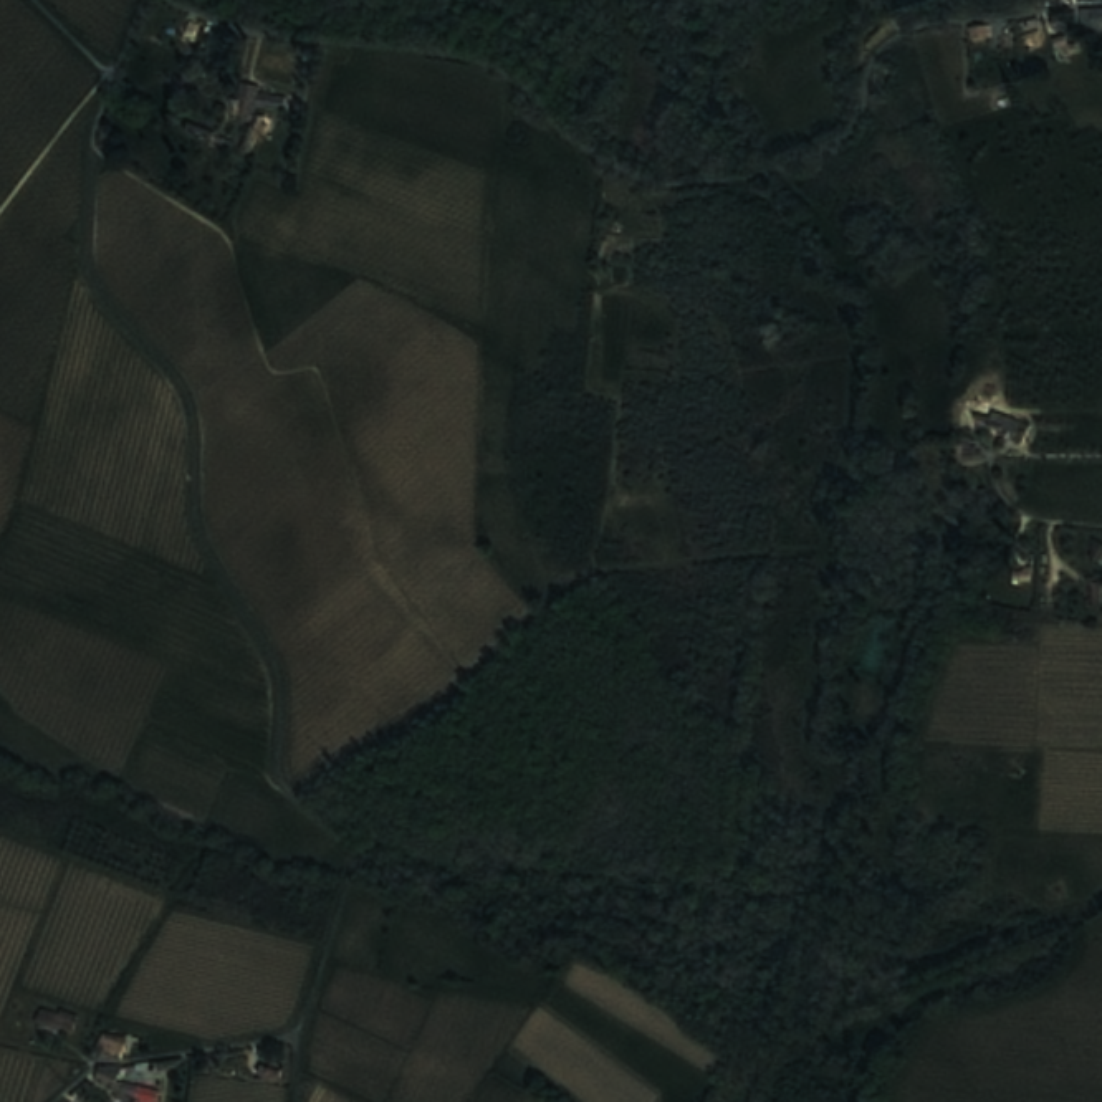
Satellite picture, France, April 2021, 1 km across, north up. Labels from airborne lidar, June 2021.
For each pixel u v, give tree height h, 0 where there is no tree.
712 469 6
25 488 0
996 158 0
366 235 0
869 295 18
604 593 14
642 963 9
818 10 20
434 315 0
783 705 0
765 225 8
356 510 0
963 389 0
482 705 18
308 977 0
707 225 9
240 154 12
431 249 0
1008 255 7
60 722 0
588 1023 0
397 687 0
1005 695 0
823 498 8
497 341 0
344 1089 0
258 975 0
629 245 0
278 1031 0
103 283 0
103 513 0
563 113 20
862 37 13
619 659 19
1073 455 6
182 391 0
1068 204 5
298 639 0
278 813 0
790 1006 32
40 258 0
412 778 20
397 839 18
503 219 0
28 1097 0
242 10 14
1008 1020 0
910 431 8
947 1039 0
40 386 0
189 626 0
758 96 0
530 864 21
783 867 20
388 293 0
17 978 0
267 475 0
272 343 0
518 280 0
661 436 7
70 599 0
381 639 0
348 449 0
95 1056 12
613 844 12
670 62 12
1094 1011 0
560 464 9
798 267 10
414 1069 0
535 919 10
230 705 0
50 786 19
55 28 0
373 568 0
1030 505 0
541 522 7
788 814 28
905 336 0
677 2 20
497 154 0
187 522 0
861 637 16
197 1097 0
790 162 18
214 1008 0
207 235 0
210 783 0
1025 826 0
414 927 0
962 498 24
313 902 8
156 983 0
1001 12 7
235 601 0
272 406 0
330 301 0
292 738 0
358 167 0
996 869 0
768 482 9
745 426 6
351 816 22
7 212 0
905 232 17
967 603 15
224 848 12
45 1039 12
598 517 6
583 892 17
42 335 0
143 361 0
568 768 18
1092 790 0
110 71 0
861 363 14
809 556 9
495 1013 0
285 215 0
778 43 0
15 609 0
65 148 0
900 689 16
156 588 0
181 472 0
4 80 0
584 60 19
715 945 16
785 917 18
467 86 0
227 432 0
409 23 14
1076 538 9
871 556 25
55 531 0
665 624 8
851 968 21
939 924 32
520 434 11
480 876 12
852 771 16
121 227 0
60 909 0
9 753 10
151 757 0
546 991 0
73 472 0
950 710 0
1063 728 0
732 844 18
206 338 0
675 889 10
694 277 7
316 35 19
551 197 0
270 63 0
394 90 0
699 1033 17
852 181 6
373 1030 0
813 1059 8
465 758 18
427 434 0
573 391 7
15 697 0
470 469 0
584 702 17
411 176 0
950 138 6
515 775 16
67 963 0
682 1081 0
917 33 12
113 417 0
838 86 15
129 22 0
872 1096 25
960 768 0
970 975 19
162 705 0
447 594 0
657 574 6
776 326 26
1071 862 0
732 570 10
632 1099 0
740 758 22
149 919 0
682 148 20
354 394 0
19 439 0
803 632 8
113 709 0
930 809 0
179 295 0
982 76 11
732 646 8
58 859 0
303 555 0
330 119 0
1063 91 0
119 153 19
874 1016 21
